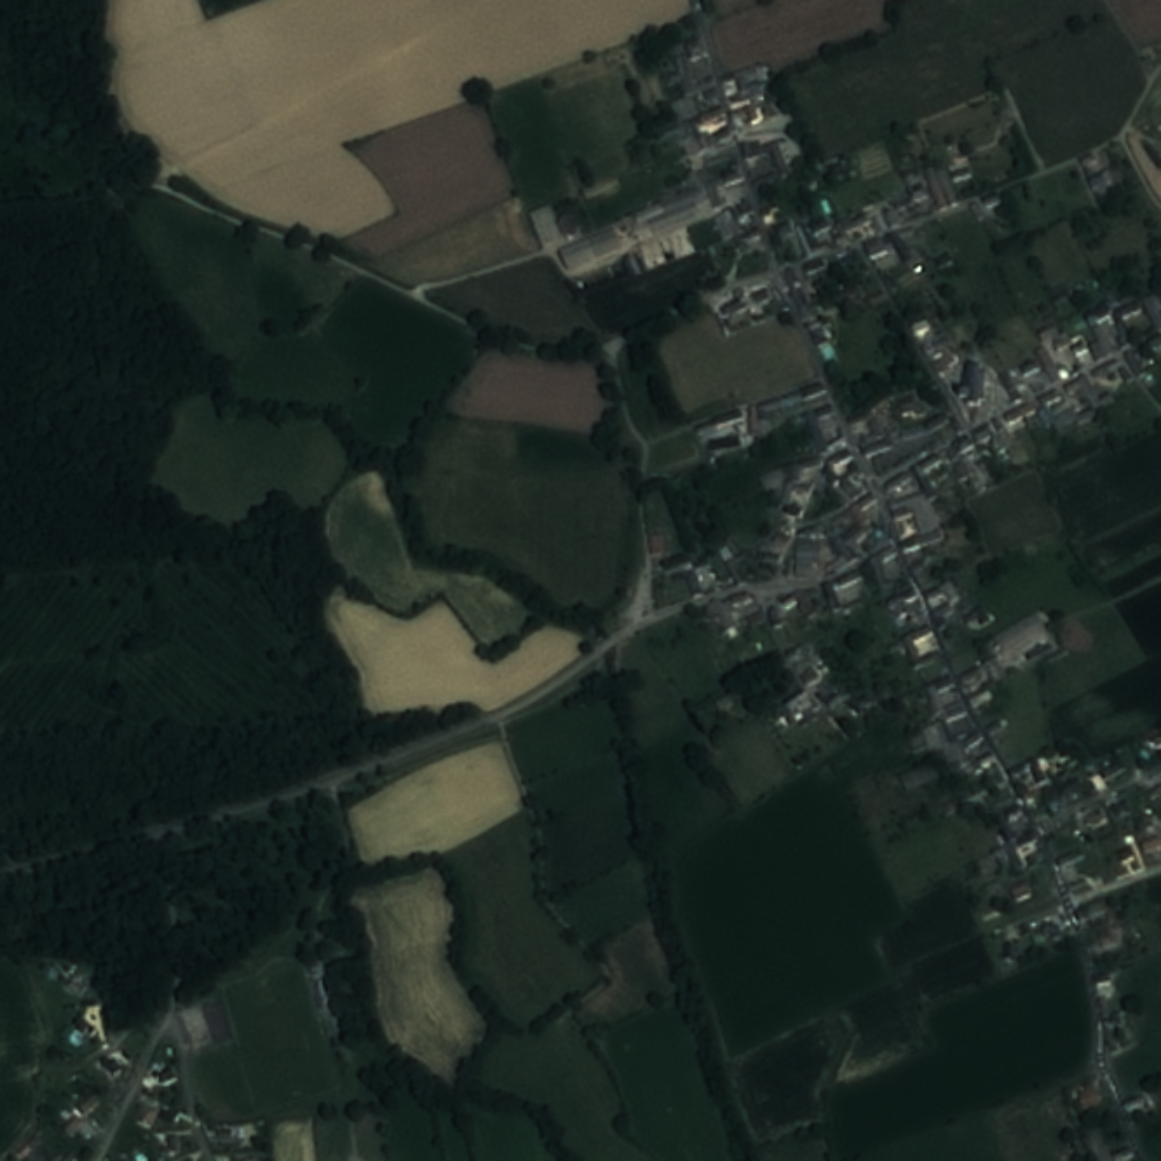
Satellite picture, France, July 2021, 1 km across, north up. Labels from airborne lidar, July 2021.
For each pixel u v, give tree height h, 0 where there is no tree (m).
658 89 0
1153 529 0
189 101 0
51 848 24
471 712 19
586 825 0
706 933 0
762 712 19
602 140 0
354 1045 22
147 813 23
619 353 0
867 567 8
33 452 21
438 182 0
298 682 7
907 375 20
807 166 7
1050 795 7
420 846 0
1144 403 0
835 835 0
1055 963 0
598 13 0
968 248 0
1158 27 0
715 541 10
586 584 0
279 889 29
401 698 0
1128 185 7
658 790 0
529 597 9
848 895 0
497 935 0
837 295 6
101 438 29
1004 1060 0
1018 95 0
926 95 0
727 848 0
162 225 0
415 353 0
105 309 22
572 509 0
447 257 0
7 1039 0
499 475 0
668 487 13
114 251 22
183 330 23
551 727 0
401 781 0
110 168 14
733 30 0
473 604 0
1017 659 0
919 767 10
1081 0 0
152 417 23
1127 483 0
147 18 0
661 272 0
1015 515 0
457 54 0
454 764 0
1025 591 0
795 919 0
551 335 0
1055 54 0
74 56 12
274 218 0
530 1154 0
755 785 0
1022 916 0
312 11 0
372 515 0
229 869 28
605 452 18
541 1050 0
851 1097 0
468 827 0
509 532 0
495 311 0
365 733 23
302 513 15
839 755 0
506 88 0
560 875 0
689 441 0
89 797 25
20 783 27
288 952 0
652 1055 0
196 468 0
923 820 7
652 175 0
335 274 0
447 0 0
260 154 0
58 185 22
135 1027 22
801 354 0
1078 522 0
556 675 0
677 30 10
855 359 0
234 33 0
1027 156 6
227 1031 0
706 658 0
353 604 16
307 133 0
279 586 25
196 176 0
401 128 0
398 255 0
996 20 0
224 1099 0
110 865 24
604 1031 8
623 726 11
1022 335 0
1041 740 0
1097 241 8
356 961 14
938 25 0
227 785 26
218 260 0
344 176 0
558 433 0
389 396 0
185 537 21
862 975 0
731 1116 13
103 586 23
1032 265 10
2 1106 0
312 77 0
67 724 5
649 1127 0
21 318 22
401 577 0
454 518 0
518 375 0
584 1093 0
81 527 22
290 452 0
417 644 0
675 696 0
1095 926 6
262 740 29
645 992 0
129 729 28
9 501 21
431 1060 0
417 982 0
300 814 11
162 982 19
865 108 0
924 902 0
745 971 0
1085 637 0
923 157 7
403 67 0
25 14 16
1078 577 8
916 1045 0
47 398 21
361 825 0
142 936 24
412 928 0
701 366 0
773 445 9
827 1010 0
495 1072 0
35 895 19
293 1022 0
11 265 20
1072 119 0
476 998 15
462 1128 17
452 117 0
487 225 0
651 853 19
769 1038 0
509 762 0
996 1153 0
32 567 17
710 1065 15
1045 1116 0
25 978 0
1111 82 0
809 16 0
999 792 12
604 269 0
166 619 8
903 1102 0
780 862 0
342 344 0
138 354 20
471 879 0
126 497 22
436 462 0
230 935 28
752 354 0
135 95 0
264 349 0
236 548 18
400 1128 0
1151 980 0
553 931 0
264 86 0
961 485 5
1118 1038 9
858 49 12
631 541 0
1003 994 0
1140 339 12
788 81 13
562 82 0
